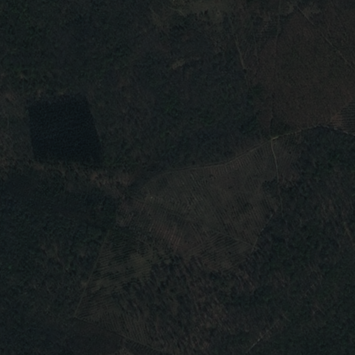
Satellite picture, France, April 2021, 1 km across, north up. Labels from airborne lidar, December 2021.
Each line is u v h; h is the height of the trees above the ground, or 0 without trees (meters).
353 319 18
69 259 19
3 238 7
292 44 13
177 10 0
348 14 13
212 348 28
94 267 24
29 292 16
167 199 0
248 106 12
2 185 9
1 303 20
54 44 19
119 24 8
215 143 12
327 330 15
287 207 7
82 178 10
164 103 17
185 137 18
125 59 21
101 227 12
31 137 18
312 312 21
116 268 0
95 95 22
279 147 0
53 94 18
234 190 0
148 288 28
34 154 13
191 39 8
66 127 21
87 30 14
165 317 24
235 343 21
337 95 13
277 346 13
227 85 15
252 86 9
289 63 9
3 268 6
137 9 13
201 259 0
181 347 25
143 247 6
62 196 11
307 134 7
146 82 14
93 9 12
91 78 15
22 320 19
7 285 18
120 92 18
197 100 10
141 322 0
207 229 0
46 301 8
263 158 0
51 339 18
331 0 10
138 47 15
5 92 20
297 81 13
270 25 6
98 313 0
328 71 14
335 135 27
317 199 26
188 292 20
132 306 29
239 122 12
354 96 11
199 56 6
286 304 19
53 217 8
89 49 19
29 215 11
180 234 0
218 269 0
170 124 11
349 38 13
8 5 16
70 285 8
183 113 11
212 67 9
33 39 20
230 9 0
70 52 17
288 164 0
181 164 18
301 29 12
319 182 25
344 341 22
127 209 0
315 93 13
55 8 19
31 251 12
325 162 21
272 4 8
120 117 22
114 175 9
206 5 0
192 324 27
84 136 27
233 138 22
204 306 0
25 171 8
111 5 12
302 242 8
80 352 16
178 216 0
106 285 0
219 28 0
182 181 0
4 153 9
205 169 0
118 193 7
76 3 21
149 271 0
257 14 7
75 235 7
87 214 11
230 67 15
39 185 10
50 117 23
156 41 16
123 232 8
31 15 19
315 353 16
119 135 24
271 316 21
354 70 9
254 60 7
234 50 10
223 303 27
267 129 11
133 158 22
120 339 10
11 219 7
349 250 23
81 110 24
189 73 16
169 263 0
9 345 14
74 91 22
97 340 10
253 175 0
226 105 11
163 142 24
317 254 19
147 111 14
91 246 20
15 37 16
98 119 23
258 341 23
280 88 14
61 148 28
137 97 21
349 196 27
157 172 0
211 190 0
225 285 19
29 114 13
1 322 6
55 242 18
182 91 14
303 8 10
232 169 0
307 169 12
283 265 21
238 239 0
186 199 0
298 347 18
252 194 0
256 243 0
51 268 20
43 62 12
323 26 15
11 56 15
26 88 19
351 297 11
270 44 11
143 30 17
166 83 15
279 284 25
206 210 0
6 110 15
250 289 24
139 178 0
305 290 17
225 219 0
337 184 22
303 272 22
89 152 27
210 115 12
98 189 8
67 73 24
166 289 24
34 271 14
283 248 20
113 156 18
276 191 9
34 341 12
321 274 23
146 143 22
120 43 11
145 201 0
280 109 14
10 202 15
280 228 12
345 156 16
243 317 27
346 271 21
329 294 15
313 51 15
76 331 10
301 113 13
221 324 31
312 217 22
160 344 23
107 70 17
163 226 0
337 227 24
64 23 21
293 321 20
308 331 21
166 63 13
